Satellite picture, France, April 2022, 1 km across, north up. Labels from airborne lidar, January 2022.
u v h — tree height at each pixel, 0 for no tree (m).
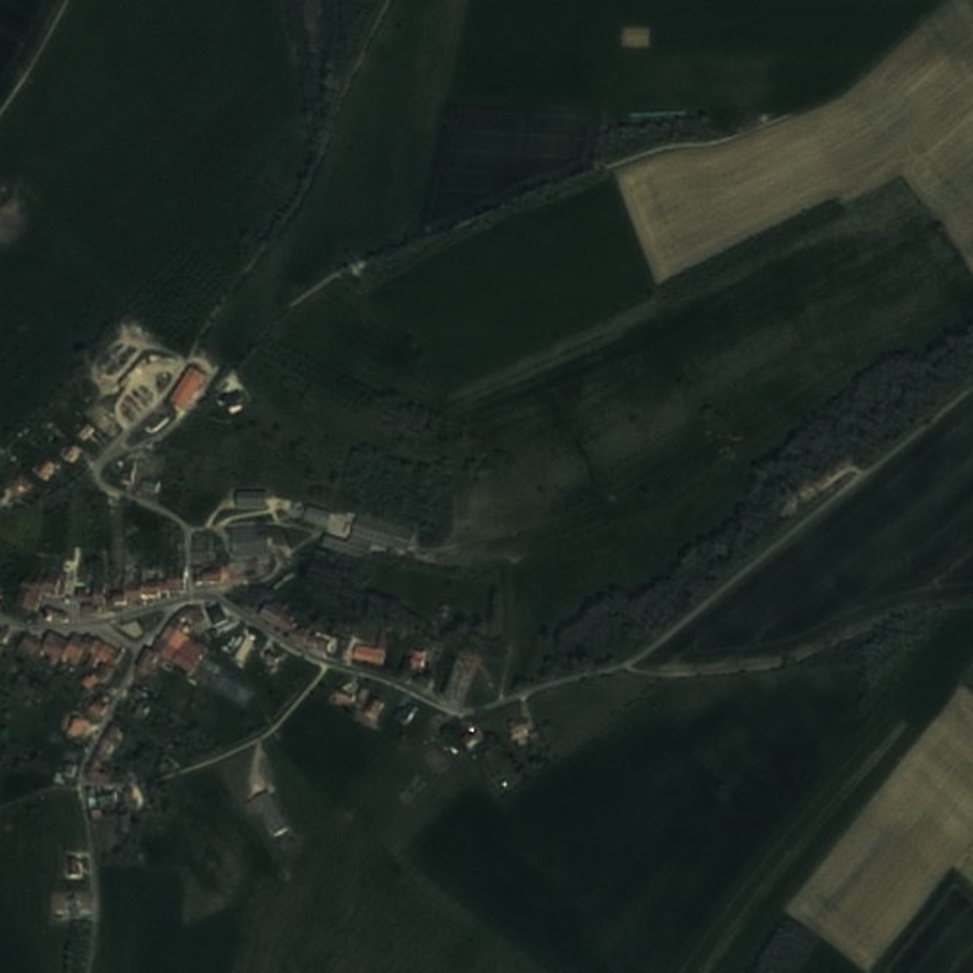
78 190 0
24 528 0
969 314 0
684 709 0
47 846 0
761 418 0
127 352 0
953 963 0
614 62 0
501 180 0
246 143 0
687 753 0
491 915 0
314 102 7
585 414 0
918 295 0
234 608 0
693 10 0
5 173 0
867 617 0
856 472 0
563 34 0
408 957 0
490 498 0
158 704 7
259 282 0
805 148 0
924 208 0
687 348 0
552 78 0
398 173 0
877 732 0
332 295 0
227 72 0
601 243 0
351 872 0
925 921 0
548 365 0
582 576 0
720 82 0
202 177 0
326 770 0
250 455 0
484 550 0
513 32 0
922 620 14
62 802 0
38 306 0
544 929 0
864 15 0
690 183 0
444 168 0
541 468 0
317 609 0
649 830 0
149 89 0
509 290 0
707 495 0
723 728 0
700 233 0
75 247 0
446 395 0
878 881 0
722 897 0
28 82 0
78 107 0
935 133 0
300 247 0
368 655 0
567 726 0
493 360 0
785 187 0
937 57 0
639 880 0
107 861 10
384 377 0
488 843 0
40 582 0
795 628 0
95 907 0
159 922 0
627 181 0
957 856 0
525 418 0
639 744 0
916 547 0
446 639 13
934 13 0
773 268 0
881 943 0
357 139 0
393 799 0
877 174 0
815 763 0
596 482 0
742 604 0
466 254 0
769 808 0
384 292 0
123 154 0
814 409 0
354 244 0
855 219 0
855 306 0
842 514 0
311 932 0
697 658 0
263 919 0
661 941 0
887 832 0
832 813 0
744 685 0
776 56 0
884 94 0
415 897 0
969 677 0
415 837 0
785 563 0
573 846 0
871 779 0
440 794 0
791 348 0
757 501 8
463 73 0
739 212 0
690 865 0
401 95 0
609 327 0
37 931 0
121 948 0
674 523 0
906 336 0
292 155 0
